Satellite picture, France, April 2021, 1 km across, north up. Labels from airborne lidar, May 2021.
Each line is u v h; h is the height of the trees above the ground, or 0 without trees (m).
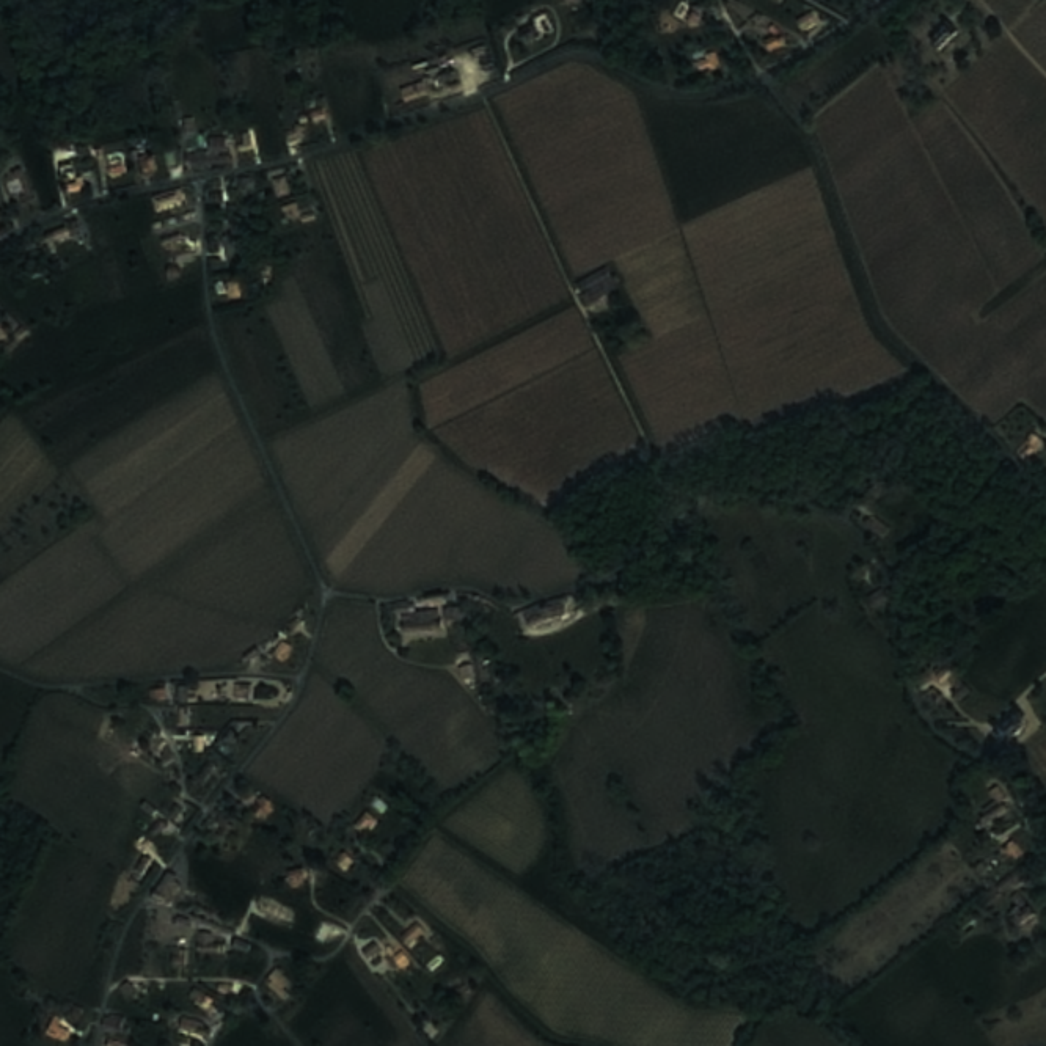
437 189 0
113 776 0
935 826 0
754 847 25
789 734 13
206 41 11
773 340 0
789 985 18
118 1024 0
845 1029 20
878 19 17
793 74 8
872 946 0
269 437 0
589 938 0
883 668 0
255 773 0
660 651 0
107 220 0
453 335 0
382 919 8
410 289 0
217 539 0
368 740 0
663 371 0
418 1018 8
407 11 0
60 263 11
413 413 0
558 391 0
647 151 0
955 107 0
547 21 0
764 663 13
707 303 0
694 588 27
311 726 0
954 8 9
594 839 0
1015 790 10
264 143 0
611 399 0
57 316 9
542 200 0
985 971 0
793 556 0
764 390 0
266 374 0
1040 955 18
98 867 0
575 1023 0
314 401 0
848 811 0
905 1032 0
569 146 0
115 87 7
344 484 0
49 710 0
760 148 0
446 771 0
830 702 0
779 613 0
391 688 0
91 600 0
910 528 0
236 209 7
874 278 0
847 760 0
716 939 25
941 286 0
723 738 0
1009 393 0
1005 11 0
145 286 0
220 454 0
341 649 0
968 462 20
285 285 0
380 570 0
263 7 14
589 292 0
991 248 0
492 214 0
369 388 0
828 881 0
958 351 0
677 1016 0
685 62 12
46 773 0
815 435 22
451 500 0
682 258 0
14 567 0
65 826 0
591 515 18
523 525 0
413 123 10
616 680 15
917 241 0
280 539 0
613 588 9
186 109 0
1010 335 0
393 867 11
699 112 0
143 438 0
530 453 0
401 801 16
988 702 0
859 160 0
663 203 0
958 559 30
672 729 0
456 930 0
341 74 0
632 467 12
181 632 0
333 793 0
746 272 0
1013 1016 12
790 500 18
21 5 21
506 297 0
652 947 23
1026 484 21
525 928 0
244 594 0
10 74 0
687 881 17
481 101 0
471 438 0
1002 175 0
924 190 0
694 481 21
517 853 0
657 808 0
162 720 0
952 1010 0
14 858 14
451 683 0
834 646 0
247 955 10
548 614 0
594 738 0
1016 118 0
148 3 6
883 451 22
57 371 0
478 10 22
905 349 0
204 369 0
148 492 0
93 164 9
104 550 0
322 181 0
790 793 0
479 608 13
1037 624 0
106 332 0
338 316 0
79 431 0
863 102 0
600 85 0
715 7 17
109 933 9
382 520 0
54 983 0
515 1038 0
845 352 0
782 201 0
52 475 0
